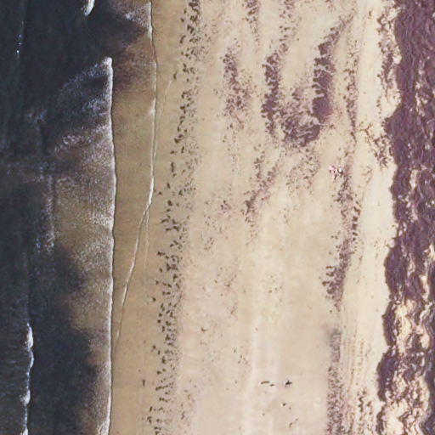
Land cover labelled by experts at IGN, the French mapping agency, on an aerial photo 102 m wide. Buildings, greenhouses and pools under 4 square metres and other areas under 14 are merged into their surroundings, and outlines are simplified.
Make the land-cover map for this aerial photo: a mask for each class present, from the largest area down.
<instances>
[{"label":"bare soil","instance_id":"1","mask_svg":"<svg viewBox=\"0 0 435 435\"><path fill-rule=\"evenodd\" d=\"M92 12L99 17L104 27L100 29L99 41L92 44L90 49L99 61H105V58L112 59L114 70L110 116L117 189L112 226L114 255L112 272H109V279L114 280L110 325L112 381L110 386L104 384L105 396H112L109 435H435V0H95Z\"/></svg>","mask_w":435,"mask_h":435},{"label":"water","instance_id":"2","mask_svg":"<svg viewBox=\"0 0 435 435\"><path fill-rule=\"evenodd\" d=\"M95 0H0V435H109L112 396H105L104 384L110 386L112 381L110 325L114 280L109 279V272H112L114 255L112 226L117 189L110 116L114 70L112 59L105 58V61H99L90 49L92 44L99 41L100 29L104 27L99 17L92 12Z\"/></svg>","mask_w":435,"mask_h":435}]
</instances>
